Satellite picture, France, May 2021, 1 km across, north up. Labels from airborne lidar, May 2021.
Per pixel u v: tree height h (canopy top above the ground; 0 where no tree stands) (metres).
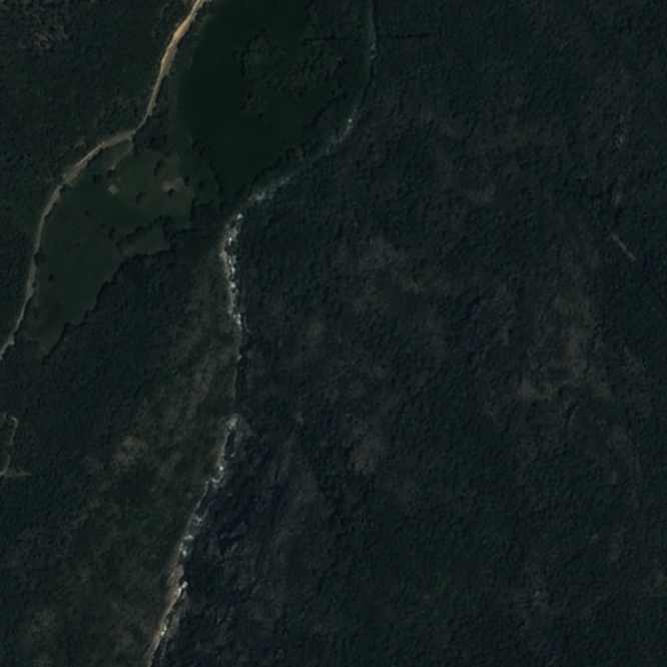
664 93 8
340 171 8
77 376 11
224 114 0
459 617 9
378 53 16
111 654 6
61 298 0
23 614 7
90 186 0
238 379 0
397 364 7
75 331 13
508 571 7
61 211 0
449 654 11
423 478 6
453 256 7
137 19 13
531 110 10
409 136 12
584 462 11
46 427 15
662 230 12
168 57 0
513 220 7
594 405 7
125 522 10
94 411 12
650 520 7
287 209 11
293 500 0
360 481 19
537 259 9
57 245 0
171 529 14
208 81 0
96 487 9
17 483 10
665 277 7
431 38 18
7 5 16
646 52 8
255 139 0
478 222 11
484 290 6
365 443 0
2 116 12
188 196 0
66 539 9
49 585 10
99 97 14
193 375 7
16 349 12
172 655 12
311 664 8
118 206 0
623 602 12
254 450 10
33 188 12
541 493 6
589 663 11
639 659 14
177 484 9
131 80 13
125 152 0
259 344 7
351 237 14
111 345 13
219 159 18
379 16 15
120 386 11
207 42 0
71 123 10
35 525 7
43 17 19
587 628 12
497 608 12
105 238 0
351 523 16
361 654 8
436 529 11
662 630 11
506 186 5
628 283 13
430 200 7
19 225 17
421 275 7
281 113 0
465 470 7
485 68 6
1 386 7
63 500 8
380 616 12
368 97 13
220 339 6
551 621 6
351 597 7
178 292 14
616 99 6
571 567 11
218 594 7
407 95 8
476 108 8
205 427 8
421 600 8
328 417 10
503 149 11
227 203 13
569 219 5
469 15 16
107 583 9
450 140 13
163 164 16
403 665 10
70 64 16
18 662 10
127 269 21
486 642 13
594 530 10
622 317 12
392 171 11
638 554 7
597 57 10
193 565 15
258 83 12
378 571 8
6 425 9
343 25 17
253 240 16
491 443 9
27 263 11
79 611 9
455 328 7
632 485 7
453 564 8
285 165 15
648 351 13
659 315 12
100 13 14
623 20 10
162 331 8
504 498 11
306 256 11
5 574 7
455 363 8
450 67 8
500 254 10
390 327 9
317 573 10
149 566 9
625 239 8
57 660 8
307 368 6
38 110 12
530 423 8
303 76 15
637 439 6
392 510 14
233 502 9
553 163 10
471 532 10
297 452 11
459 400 9
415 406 7
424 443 8
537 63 8
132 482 8
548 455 7
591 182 11
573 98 11
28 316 14
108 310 16
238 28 0
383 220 17
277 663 10
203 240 23
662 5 19
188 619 7
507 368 8
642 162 9
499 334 12
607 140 7
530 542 12
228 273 0
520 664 17
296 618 8
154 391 9
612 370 9
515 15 11
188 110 0
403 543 9
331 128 18
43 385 16
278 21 0
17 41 26
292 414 7
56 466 9
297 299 9
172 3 6
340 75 22
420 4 15
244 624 7
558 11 10
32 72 14
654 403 11
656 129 8
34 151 15
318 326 0
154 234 0
